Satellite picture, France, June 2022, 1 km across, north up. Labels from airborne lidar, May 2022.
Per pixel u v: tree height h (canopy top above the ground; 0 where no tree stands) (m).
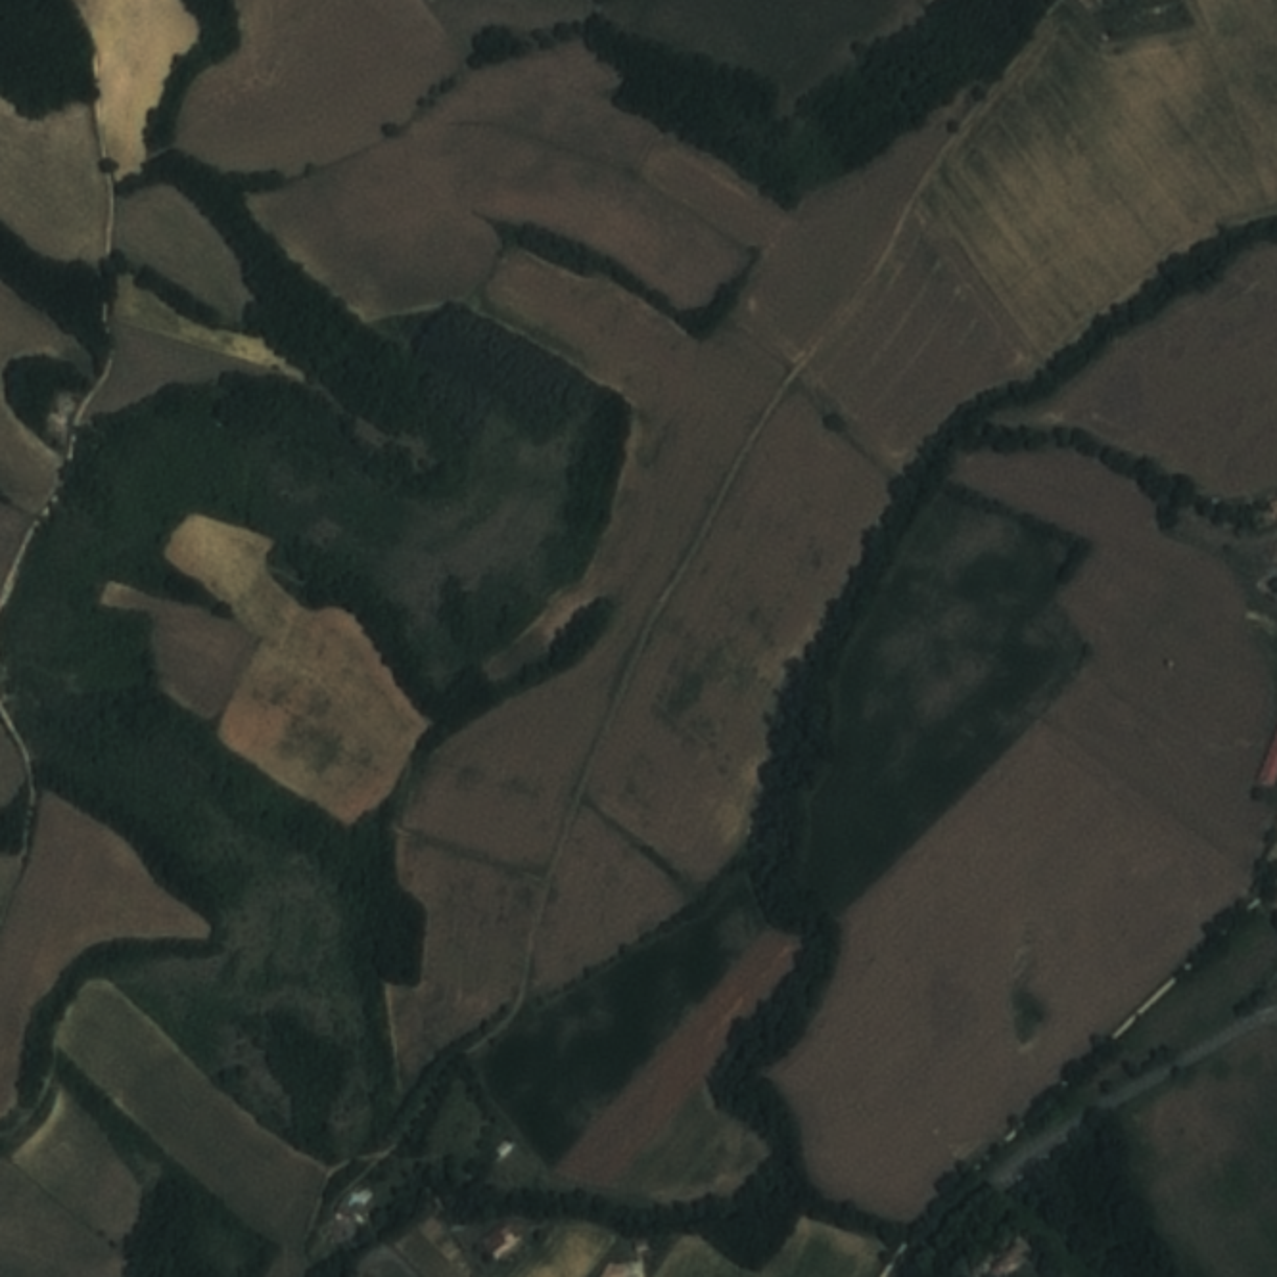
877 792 0
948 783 0
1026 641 0
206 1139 0
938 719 0
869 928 0
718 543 0
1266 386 0
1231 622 0
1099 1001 0
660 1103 0
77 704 8
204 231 0
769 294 0
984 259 0
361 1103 8
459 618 9
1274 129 0
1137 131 0
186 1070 0
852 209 0
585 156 0
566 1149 0
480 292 0
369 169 0
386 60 0
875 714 0
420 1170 12
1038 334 0
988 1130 0
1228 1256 0
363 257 0
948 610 0
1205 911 0
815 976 17
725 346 0
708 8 0
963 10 21
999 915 0
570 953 0
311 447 7
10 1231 0
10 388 13
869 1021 0
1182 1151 0
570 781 0
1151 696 0
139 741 7
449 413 11
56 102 9
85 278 16
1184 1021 0
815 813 0
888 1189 0
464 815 0
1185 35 0
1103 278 0
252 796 6
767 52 0
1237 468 0
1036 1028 0
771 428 0
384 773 0
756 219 0
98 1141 0
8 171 0
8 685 5
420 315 8
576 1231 0
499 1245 0
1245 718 0
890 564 11
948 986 0
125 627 9
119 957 15
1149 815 0
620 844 0
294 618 0
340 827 8
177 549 0
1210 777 0
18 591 5
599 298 0
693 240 0
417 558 0
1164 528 8
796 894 15
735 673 0
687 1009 0
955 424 13
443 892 0
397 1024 0
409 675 12
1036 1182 32
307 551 8
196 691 0
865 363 0
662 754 0
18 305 0
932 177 0
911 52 15
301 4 0
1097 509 0
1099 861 0
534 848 0
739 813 0
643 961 0
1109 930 0
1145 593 0
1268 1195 0
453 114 0
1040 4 15
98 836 0
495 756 0
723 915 0
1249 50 0
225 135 0
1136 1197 11
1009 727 0
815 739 26
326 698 0
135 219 0
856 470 0
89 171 0
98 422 9
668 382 0
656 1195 0
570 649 25
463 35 0
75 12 13
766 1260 14
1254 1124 0
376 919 11
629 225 0
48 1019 6
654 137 0
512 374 18
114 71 0
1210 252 8
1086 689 0
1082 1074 17
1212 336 0
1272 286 0
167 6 0
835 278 0
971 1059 0
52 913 0
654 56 12
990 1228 16
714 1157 0
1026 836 0
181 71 11
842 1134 0
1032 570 0
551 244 15
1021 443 13
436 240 0
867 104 11
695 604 0
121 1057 0
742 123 6
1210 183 0
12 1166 0
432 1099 9
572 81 0
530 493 0
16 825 10
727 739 0
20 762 0
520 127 0
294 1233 0
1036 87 0
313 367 14
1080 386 0
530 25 0
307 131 0
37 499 0
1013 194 0
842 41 0
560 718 0
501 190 0
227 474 6
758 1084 14
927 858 0
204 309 15
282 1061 12
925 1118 0
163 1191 17
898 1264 7
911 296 0
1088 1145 6
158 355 0
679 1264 0
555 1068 0
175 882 14
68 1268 0
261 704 0
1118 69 0
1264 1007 15
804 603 0
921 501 11
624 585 0
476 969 0
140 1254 10
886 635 0
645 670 0
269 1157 0
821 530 0
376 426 7
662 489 0
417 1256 0
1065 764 0
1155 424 0
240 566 0
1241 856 0
